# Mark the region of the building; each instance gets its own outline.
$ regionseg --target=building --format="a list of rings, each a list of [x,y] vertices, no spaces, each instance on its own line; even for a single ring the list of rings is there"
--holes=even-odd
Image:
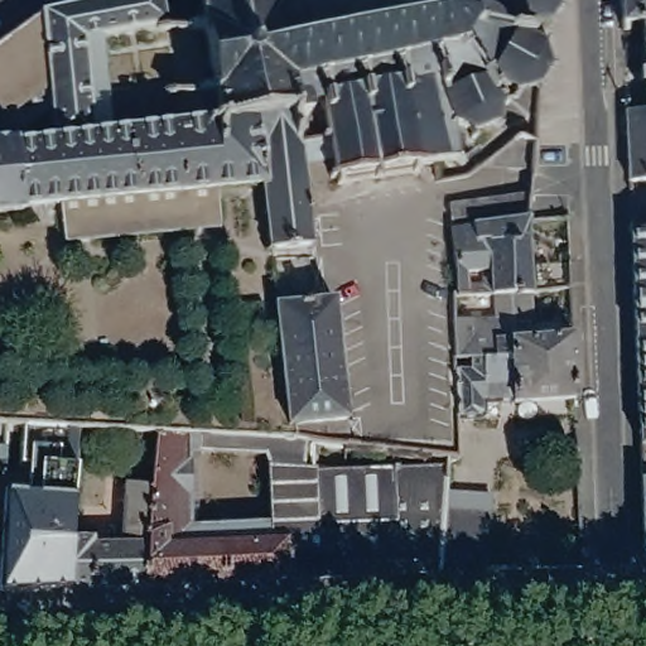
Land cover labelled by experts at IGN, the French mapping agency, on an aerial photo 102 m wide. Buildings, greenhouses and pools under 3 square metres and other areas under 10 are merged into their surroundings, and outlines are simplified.
[[[469,537],[477,537],[482,515],[492,515],[497,510],[492,492],[452,490],[452,479],[444,477],[447,472],[442,467],[421,467],[416,459],[409,459],[409,464],[320,467],[318,457],[328,452],[341,452],[343,442],[300,434],[300,426],[346,421],[348,414],[343,411],[348,399],[348,379],[343,361],[341,305],[336,298],[320,300],[318,293],[278,295],[275,323],[278,328],[283,328],[285,333],[283,379],[288,396],[285,416],[290,416],[290,424],[285,432],[235,429],[164,426],[164,432],[159,434],[144,432],[144,457],[129,474],[131,482],[126,482],[121,537],[78,532],[78,517],[83,515],[83,510],[81,497],[76,492],[76,449],[83,447],[81,429],[15,426],[13,434],[5,429],[0,432],[0,472],[8,467],[18,474],[18,482],[13,482],[15,492],[10,495],[10,548],[3,548],[0,553],[0,573],[8,578],[8,583],[91,583],[91,578],[101,573],[103,565],[129,568],[131,575],[169,575],[179,565],[199,563],[212,568],[220,578],[235,575],[237,580],[247,578],[252,583],[260,583],[278,578],[290,583],[308,578],[313,573],[310,565],[295,553],[295,543],[308,537],[315,545],[320,543],[320,532],[313,525],[323,515],[336,515],[338,525],[358,525],[358,532],[363,532],[371,522],[399,522],[409,527],[409,532],[416,532],[419,527],[442,530],[449,530],[452,535],[464,532]],[[262,454],[270,469],[270,517],[197,520],[199,502],[209,500],[202,492],[202,487],[194,485],[192,477],[197,452],[250,457]]]
[[[646,182],[646,103],[626,109],[626,149],[631,184]]]
[[[467,416],[487,416],[487,406],[495,401],[510,401],[517,396],[575,394],[585,376],[598,376],[598,328],[578,333],[570,328],[502,333],[500,328],[502,313],[532,310],[535,298],[540,295],[537,288],[532,288],[537,252],[532,252],[530,245],[532,232],[527,220],[530,189],[452,202],[452,220],[459,220],[467,212],[477,220],[477,232],[472,230],[472,225],[454,227],[454,250],[462,255],[457,262],[457,290],[487,293],[490,308],[495,308],[490,318],[462,318],[462,303],[454,300],[452,315],[457,333],[457,356],[447,353],[447,363],[452,373],[452,386],[457,386],[459,391],[459,399],[454,399],[454,404],[459,404],[459,421]]]
[[[474,134],[477,124],[495,119],[497,109],[505,103],[510,93],[517,91],[520,83],[543,78],[548,73],[553,63],[553,48],[545,35],[545,28],[550,25],[553,13],[563,0],[53,0],[0,38],[0,106],[38,103],[43,101],[45,88],[50,88],[53,109],[68,116],[66,126],[0,131],[0,212],[35,209],[48,204],[63,204],[66,240],[81,242],[83,237],[91,237],[96,242],[119,235],[134,237],[141,245],[144,240],[159,242],[164,232],[194,232],[202,232],[222,222],[225,184],[262,184],[267,230],[275,255],[308,252],[310,237],[315,232],[313,204],[308,162],[326,159],[326,182],[331,189],[338,187],[341,177],[399,177],[401,182],[406,182],[411,174],[424,174],[426,167],[432,167],[439,162],[444,162],[447,167],[464,164],[467,156],[462,151],[462,144],[479,141],[479,134]],[[197,98],[202,109],[129,119],[124,103],[109,93],[109,88],[114,86],[114,81],[109,78],[106,56],[109,38],[134,35],[139,30],[151,33],[154,25],[164,20],[192,20],[202,35],[204,86]]]
[[[646,38],[646,0],[626,0],[623,28],[631,30],[636,20],[643,20]]]
[[[646,474],[641,479],[646,530]]]
[[[641,318],[636,320],[636,376],[638,394],[643,396],[641,437],[646,457],[646,230],[636,230],[633,235],[638,250],[636,278],[641,293]]]

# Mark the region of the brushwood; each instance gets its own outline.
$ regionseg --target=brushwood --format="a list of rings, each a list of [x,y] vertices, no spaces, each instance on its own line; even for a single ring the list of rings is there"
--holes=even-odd
[[[386,457],[376,452],[376,442],[353,442],[348,452],[358,459]]]

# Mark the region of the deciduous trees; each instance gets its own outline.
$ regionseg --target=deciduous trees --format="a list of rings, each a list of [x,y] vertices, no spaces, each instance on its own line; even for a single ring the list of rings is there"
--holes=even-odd
[[[78,245],[76,250],[63,250],[61,262],[56,262],[61,275],[91,283],[103,280],[109,273],[121,273],[124,278],[131,278],[144,270],[141,245],[134,237],[114,252],[103,255],[88,255],[83,245]]]
[[[240,285],[232,275],[235,267],[252,270],[255,260],[240,255],[232,240],[222,242],[220,247],[204,247],[202,232],[194,232],[192,240],[182,240],[172,250],[172,265],[177,270],[174,293],[179,300],[182,341],[174,341],[174,348],[167,351],[164,361],[88,361],[83,351],[86,341],[78,338],[78,323],[73,318],[71,303],[66,300],[66,290],[48,280],[43,283],[43,288],[35,288],[33,295],[13,295],[10,308],[0,310],[0,416],[13,419],[15,411],[38,399],[45,404],[53,419],[83,421],[93,411],[124,416],[124,421],[131,421],[131,429],[83,429],[81,429],[83,447],[88,457],[83,462],[86,472],[111,479],[129,474],[144,457],[144,432],[159,434],[164,432],[164,426],[235,429],[242,419],[242,389],[252,381],[250,371],[257,366],[267,371],[273,368],[278,328],[275,323],[265,320],[265,290],[257,295],[240,293]]]
[[[245,611],[242,606],[227,601],[212,601],[207,616],[192,611],[177,613],[174,618],[144,606],[131,606],[126,613],[114,616],[38,613],[35,618],[13,626],[5,616],[0,616],[0,646],[646,646],[646,580],[623,580],[613,590],[606,585],[580,583],[575,596],[558,583],[527,583],[522,588],[522,598],[512,598],[510,593],[492,593],[487,583],[479,580],[474,575],[459,575],[447,585],[409,583],[409,588],[404,590],[391,588],[381,580],[381,575],[368,575],[356,588],[333,585],[328,590],[308,593],[303,596],[303,603],[295,603],[288,596],[278,596],[270,601],[267,611]]]
[[[545,434],[537,444],[525,444],[527,469],[522,472],[525,482],[537,495],[573,492],[580,482],[578,437],[570,439],[570,434],[563,429]]]
[[[13,230],[35,222],[35,209],[0,212],[0,230]]]

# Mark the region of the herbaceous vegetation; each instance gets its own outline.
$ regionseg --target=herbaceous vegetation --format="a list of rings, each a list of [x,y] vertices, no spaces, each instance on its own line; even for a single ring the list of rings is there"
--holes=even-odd
[[[326,182],[326,159],[308,162],[313,204],[343,204],[348,199],[366,197],[368,192],[373,197],[391,197],[394,192],[429,192],[434,189],[432,184],[437,179],[432,174],[432,167],[426,167],[424,174],[411,174],[406,182],[401,182],[399,177],[341,177],[338,187],[331,189]]]
[[[93,411],[83,421],[83,429],[131,429],[131,421],[124,421],[124,416]]]
[[[53,419],[45,404],[38,399],[15,411],[13,419]]]
[[[83,237],[81,242],[66,240],[63,204],[48,204],[35,209],[35,222],[13,230],[0,230],[0,310],[10,308],[13,295],[33,295],[35,288],[43,288],[43,283],[48,280],[66,290],[66,300],[71,303],[73,318],[78,323],[78,338],[86,341],[83,351],[88,361],[164,361],[167,351],[174,348],[174,341],[182,341],[179,300],[174,293],[177,270],[172,265],[172,250],[182,240],[192,240],[194,232],[164,232],[159,242],[144,240],[141,245],[144,270],[131,278],[124,278],[121,273],[109,273],[103,280],[91,283],[61,275],[56,262],[61,262],[63,250],[76,250],[78,245],[83,245],[88,255],[103,255],[114,252],[134,237],[119,235],[96,242],[91,237]]]
[[[537,288],[540,295],[535,298],[532,310],[502,313],[500,328],[502,333],[570,328],[568,217],[555,214],[527,220],[532,232],[530,245],[532,252],[537,252],[532,288]]]
[[[285,333],[283,328],[278,328],[273,368],[267,371],[257,366],[250,371],[252,381],[242,389],[242,419],[235,429],[285,432],[290,424],[290,416],[285,416],[288,396],[283,379]]]
[[[275,255],[267,230],[262,184],[225,184],[222,222],[202,232],[204,247],[220,247],[222,242],[232,240],[240,255],[255,260],[252,270],[235,267],[232,275],[240,285],[240,293],[257,295],[265,290],[265,320],[275,323],[278,295],[318,293],[328,285],[308,252]]]
[[[197,520],[270,517],[270,469],[262,454],[250,457],[197,452],[192,477],[194,485],[202,487],[202,492],[209,500],[199,502]]]
[[[558,583],[575,596],[580,583],[606,585],[613,590],[623,580],[618,570],[608,578],[593,578],[588,568],[575,558],[578,543],[575,535],[570,535],[570,527],[578,520],[568,520],[573,510],[573,492],[537,495],[525,482],[522,472],[515,469],[510,454],[500,457],[495,464],[492,492],[497,510],[492,515],[482,515],[477,537],[469,537],[464,532],[452,535],[449,530],[442,530],[439,545],[447,545],[449,555],[469,553],[482,560],[485,575],[479,580],[487,583],[492,593],[510,593],[512,598],[522,598],[522,588],[527,583]]]

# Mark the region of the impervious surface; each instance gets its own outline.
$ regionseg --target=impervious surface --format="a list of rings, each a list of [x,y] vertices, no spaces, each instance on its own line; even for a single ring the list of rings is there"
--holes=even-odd
[[[15,492],[13,482],[18,482],[18,474],[8,467],[0,472],[0,553],[3,548],[10,548],[10,495]]]
[[[53,0],[0,0],[0,38]]]
[[[520,83],[517,91],[510,93],[505,103],[497,109],[495,119],[477,124],[474,134],[479,134],[479,141],[462,144],[462,151],[467,156],[464,164],[447,167],[444,162],[439,162],[432,167],[432,174],[437,179],[432,184],[434,189],[429,192],[394,192],[391,197],[373,197],[368,192],[366,197],[348,199],[343,204],[313,204],[315,232],[310,237],[308,252],[328,285],[318,293],[320,300],[336,298],[341,305],[343,361],[348,379],[348,399],[343,411],[348,414],[346,421],[300,426],[300,434],[343,442],[341,452],[328,452],[318,457],[320,467],[409,464],[409,459],[416,459],[421,467],[442,467],[447,472],[444,477],[452,479],[452,490],[492,492],[495,464],[500,457],[510,454],[515,469],[522,472],[527,469],[525,444],[537,444],[545,434],[563,429],[570,434],[570,439],[578,437],[580,482],[573,492],[573,510],[568,520],[578,520],[570,527],[570,535],[575,535],[578,543],[575,558],[588,568],[593,578],[608,578],[618,570],[623,580],[646,580],[646,530],[641,479],[646,474],[646,457],[641,437],[643,396],[638,394],[636,376],[636,320],[641,318],[641,293],[636,278],[638,250],[633,235],[636,230],[646,230],[646,182],[631,184],[626,149],[626,109],[646,103],[646,38],[643,20],[636,20],[631,30],[623,28],[626,0],[563,0],[553,13],[550,25],[545,28],[545,35],[553,48],[553,63],[548,73],[543,78]],[[467,212],[459,220],[452,220],[452,202],[530,189],[527,220],[555,214],[568,217],[570,328],[578,333],[598,328],[598,376],[585,376],[575,394],[517,396],[510,401],[495,401],[487,406],[487,416],[467,416],[459,421],[459,404],[454,404],[454,399],[459,399],[459,391],[457,386],[452,386],[452,373],[447,363],[447,353],[457,356],[457,333],[452,315],[454,300],[462,303],[462,318],[490,318],[495,308],[490,308],[487,293],[457,290],[457,262],[462,255],[454,250],[454,227],[472,225],[472,230],[477,232],[477,220]],[[376,452],[386,457],[358,459],[348,452],[353,442],[376,442]]]
[[[320,543],[315,545],[308,537],[295,543],[295,553],[310,565],[313,573],[308,578],[290,583],[278,578],[260,583],[252,583],[247,578],[237,580],[235,575],[220,578],[212,568],[199,563],[179,565],[169,575],[131,575],[129,568],[103,565],[101,573],[91,578],[91,583],[8,583],[8,578],[0,573],[0,616],[5,616],[13,626],[35,618],[38,613],[114,616],[126,613],[131,606],[144,606],[174,618],[177,613],[192,611],[207,616],[212,601],[227,601],[242,606],[245,611],[267,611],[270,601],[278,596],[288,596],[295,603],[303,603],[303,596],[308,593],[328,590],[333,585],[356,588],[368,575],[381,575],[381,580],[391,588],[404,590],[409,588],[409,583],[447,585],[459,575],[474,575],[479,580],[485,575],[482,560],[469,553],[449,555],[447,545],[439,545],[442,530],[419,527],[416,532],[409,532],[409,527],[399,522],[371,522],[363,532],[358,532],[358,525],[338,525],[336,515],[323,515],[313,525],[320,532]]]
[[[134,35],[109,38],[106,56],[109,78],[114,81],[114,86],[109,88],[109,93],[124,103],[129,119],[202,109],[197,98],[204,86],[202,35],[192,20],[164,20],[154,25],[151,33],[139,30]]]
[[[83,447],[76,449],[76,492],[81,497],[83,510],[83,515],[78,517],[78,532],[121,537],[126,482],[131,482],[129,474],[111,479],[86,472],[83,462],[88,457]]]
[[[66,126],[68,116],[53,109],[50,88],[45,88],[43,101],[38,103],[0,106],[0,131]]]
[[[53,419],[13,419],[0,416],[0,432],[5,429],[13,434],[15,426],[81,429],[83,429],[83,421]]]

